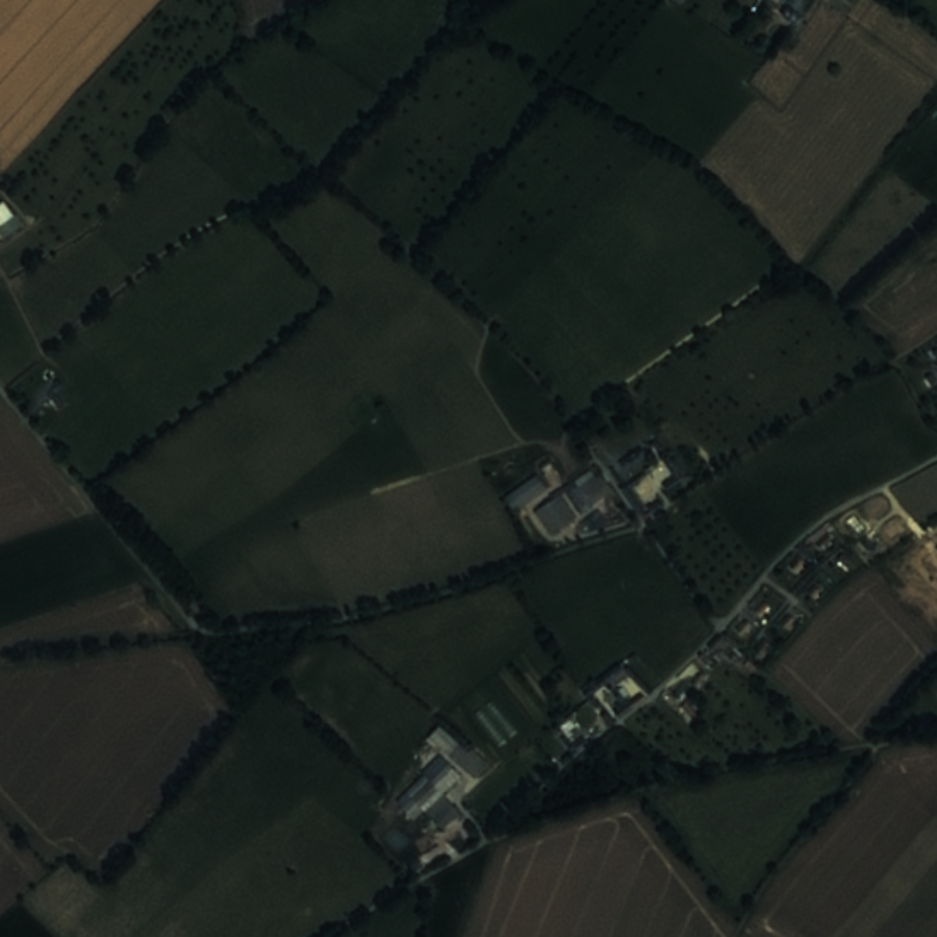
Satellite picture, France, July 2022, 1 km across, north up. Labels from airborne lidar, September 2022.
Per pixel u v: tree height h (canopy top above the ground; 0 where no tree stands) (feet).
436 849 0
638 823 0
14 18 0
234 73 0
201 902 0
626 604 0
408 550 0
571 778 34
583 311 0
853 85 0
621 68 0
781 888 0
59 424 0
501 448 0
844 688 0
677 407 0
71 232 0
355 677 0
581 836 0
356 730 0
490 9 92
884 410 0
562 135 0
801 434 0
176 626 19
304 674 0
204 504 0
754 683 23
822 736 38
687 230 0
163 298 0
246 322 0
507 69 0
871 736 52
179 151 0
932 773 0
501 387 0
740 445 0
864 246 0
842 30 0
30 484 0
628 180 0
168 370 0
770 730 0
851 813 0
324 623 63
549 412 0
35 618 0
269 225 57
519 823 62
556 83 34
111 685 0
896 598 0
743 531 0
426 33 0
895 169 0
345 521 0
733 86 0
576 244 0
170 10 0
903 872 0
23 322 0
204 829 0
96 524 0
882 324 0
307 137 0
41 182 0
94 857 0
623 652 0
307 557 0
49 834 0
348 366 0
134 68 22
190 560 0
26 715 0
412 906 0
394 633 0
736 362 0
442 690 0
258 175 0
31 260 68
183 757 0
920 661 0
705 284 0
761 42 55
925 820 0
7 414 0
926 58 0
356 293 0
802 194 0
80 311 0
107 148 0
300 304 0
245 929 0
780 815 0
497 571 56
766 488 0
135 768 0
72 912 0
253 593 0
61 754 0
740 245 0
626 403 58
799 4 0
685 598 0
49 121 0
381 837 0
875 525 0
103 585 0
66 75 0
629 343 0
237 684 53
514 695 0
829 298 48
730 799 0
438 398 0
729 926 0
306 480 0
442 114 0
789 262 41
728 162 0
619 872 0
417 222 0
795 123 0
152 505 0
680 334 0
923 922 0
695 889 0
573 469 0
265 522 0
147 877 0
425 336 0
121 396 0
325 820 0
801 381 0
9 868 0
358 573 0
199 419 0
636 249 0
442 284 61
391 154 0
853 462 0
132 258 0
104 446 0
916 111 20
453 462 0
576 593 0
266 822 0
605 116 53
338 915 0
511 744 0
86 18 0
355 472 0
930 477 0
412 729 0
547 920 0
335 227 0
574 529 0
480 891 0
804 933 0
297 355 0
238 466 0
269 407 0
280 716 0
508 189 0
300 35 26
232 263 0
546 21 0
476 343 0
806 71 0
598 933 0
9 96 0
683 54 0
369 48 0
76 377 0
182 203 0
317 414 0
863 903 0
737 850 0
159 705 0
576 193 0
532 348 0
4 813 0
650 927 0
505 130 0
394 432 0
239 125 0
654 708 21
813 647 0
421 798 0
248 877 0
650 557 0
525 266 0
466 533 0
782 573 33
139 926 0
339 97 0
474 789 0
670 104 0
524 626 0
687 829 0
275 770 0
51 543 0
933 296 0
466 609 0
